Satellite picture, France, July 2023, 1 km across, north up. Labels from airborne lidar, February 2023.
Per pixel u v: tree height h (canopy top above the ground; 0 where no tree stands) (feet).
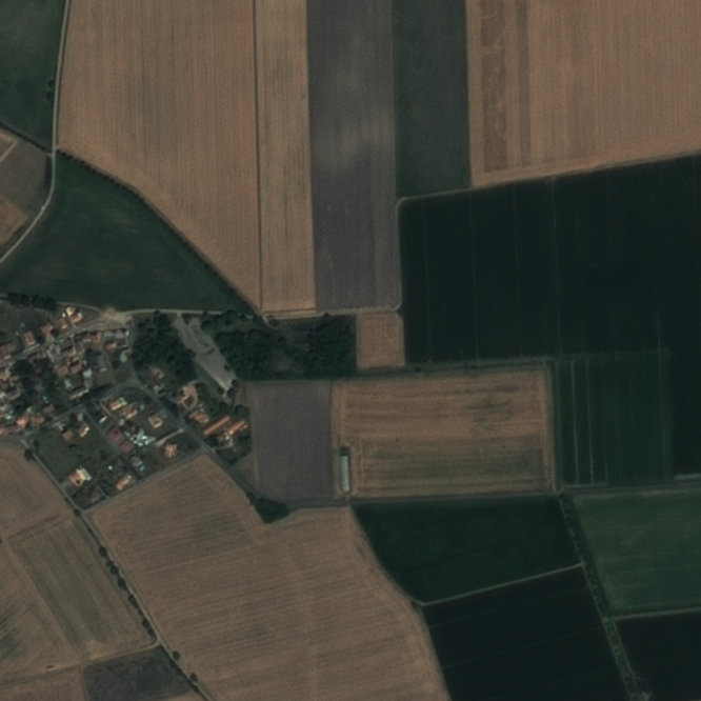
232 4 0
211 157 0
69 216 0
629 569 0
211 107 0
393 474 0
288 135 0
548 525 0
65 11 0
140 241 0
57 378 30
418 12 0
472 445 0
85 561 0
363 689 0
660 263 0
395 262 0
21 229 0
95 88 0
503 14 0
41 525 0
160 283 0
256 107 0
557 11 0
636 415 0
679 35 0
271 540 0
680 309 0
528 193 0
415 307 0
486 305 0
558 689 0
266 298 0
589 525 0
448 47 0
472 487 0
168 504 0
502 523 0
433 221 0
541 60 0
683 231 0
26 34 0
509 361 0
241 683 0
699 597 0
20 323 0
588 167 0
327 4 0
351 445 0
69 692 0
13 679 0
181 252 0
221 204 0
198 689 22
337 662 0
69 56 0
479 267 0
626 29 0
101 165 0
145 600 0
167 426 0
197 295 0
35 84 0
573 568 0
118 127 0
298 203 0
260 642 0
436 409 0
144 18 0
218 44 0
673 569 0
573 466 0
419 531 0
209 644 0
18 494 0
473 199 0
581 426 0
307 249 0
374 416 0
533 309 0
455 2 0
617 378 0
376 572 0
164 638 0
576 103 0
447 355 0
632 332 0
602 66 0
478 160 0
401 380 0
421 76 0
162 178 0
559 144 0
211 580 0
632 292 0
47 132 0
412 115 0
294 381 0
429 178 0
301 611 0
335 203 0
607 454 0
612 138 0
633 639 0
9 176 0
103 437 0
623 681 0
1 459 0
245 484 0
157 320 29
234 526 0
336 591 0
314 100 0
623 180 0
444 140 0
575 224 0
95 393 36
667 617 0
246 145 0
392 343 0
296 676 0
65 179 0
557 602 0
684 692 0
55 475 0
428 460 0
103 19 0
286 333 0
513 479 0
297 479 0
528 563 0
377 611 0
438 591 0
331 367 44
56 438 0
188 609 0
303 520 0
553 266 0
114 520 0
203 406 0
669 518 0
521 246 0
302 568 0
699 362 0
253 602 0
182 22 0
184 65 0
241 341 47
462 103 0
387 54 0
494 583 0
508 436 0
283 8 0
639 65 0
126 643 0
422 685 0
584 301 0
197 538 0
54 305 49
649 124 0
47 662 0
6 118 0
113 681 0
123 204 0
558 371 0
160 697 0
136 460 0
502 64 0
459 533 0
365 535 0
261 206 0
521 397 0
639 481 0
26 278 0
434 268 0
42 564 0
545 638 0
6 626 0
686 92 0
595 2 0
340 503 0
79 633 0
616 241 0
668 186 0
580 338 0
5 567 0
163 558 0
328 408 0
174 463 0
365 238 0
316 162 0
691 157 0
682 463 0
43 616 0
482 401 0
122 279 0
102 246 0
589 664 0
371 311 0
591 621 0
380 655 0
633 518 0
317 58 0
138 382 0
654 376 0
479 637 0
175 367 64
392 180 0
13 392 0
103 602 0
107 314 0
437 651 0
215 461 0
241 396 0
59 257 0
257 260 0
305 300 0
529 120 0
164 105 0
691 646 0
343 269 0
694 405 0
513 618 0
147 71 0
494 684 0
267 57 0
